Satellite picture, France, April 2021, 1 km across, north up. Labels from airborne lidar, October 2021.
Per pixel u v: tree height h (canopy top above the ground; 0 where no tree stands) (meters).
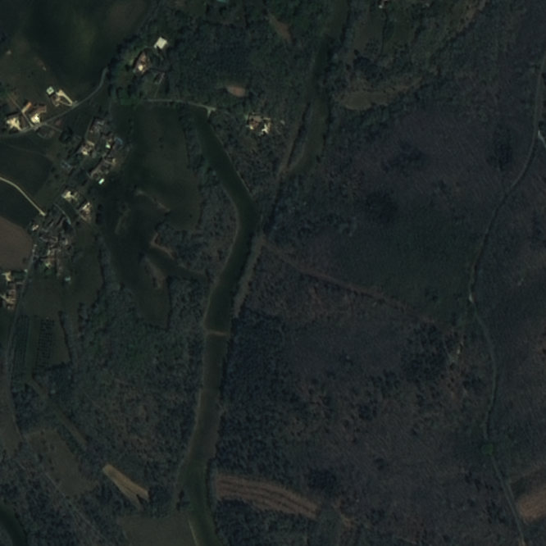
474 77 18
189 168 6
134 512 13
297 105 14
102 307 17
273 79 19
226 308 0
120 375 17
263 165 8
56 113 0
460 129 15
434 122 14
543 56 13
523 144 18
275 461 13
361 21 12
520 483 7
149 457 12
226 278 0
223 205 13
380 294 12
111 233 0
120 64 12
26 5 0
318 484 13
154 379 20
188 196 0
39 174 0
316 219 7
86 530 8
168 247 18
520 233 23
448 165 16
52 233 0
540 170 16
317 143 0
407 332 10
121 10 0
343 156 9
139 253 0
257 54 21
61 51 0
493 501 9
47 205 0
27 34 0
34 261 9
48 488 12
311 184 12
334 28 0
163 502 23
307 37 25
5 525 0
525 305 17
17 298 0
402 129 15
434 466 16
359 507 8
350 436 11
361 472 16
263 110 9
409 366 16
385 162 20
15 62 0
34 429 17
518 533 20
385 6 12
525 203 14
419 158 17
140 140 0
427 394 9
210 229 12
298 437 12
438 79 8
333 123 18
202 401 0
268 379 21
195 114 0
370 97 0
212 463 12
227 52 23
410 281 14
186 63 23
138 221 0
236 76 23
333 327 13
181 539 0
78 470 0
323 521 15
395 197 12
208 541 0
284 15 30
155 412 12
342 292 15
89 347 16
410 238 21
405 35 0
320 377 14
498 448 25
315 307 8
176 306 13
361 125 16
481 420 14
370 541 18
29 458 16
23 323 7
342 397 16
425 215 18
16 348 6
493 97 13
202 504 0
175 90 25
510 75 9
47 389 20
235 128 13
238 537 22
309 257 11
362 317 13
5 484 14
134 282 0
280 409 9
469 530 12
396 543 19
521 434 27
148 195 0
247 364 23
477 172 14
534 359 14
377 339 14
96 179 7
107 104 0
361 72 14
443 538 9
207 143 0
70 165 7
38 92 0
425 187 16
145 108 10
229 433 19
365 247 17
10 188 0
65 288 10
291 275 9
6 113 7
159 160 0
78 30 0
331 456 16
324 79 15
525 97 16
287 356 11
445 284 18
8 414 0
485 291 22
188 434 21
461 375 8
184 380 14
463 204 13
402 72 12
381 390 14
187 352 15
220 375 0
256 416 10
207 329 0
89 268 0
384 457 12
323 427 9
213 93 24
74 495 0
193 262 22
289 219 17
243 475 11
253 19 20
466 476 7
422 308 11
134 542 0
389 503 12
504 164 16
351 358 15
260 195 7
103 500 12
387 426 11
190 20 6
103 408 14
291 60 14
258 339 23
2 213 0
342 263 16
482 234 14
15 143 0
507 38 17
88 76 0
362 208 7
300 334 14
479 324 19
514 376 18
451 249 19
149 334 18
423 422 9
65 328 22
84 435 17
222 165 0
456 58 21
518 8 13
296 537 15
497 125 16
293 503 0
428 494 16
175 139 0
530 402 15
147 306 0
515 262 24
